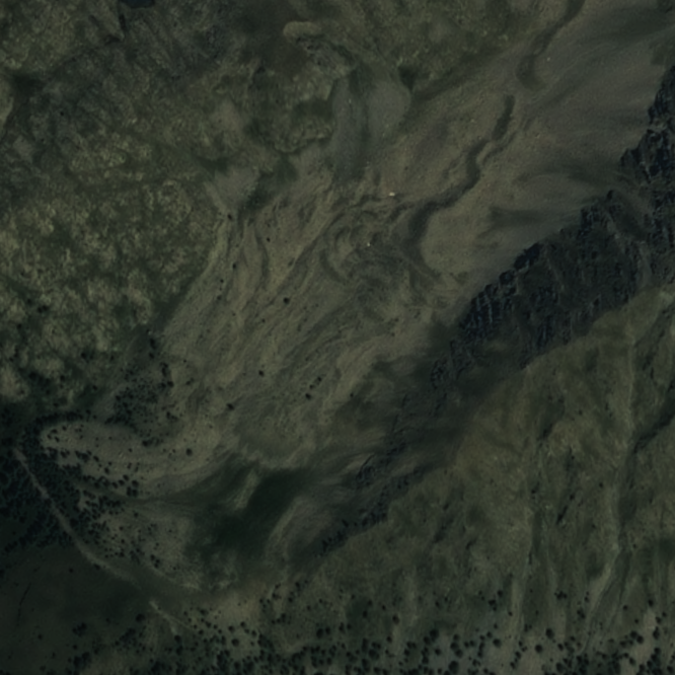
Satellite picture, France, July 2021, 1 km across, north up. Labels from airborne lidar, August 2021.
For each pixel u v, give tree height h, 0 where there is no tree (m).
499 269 0
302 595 0
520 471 0
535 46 0
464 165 0
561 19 0
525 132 0
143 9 0
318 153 0
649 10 0
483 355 0
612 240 0
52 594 0
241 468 0
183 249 0
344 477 0
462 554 0
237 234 0
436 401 0
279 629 0
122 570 0
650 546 0
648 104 0
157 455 0
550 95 0
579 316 0
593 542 0
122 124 0
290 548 0
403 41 0
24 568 0
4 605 0
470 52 0
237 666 16
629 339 0
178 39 0
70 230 0
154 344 10
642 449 0
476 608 0
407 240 0
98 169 0
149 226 0
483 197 0
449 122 0
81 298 0
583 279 0
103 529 7
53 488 16
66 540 11
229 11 0
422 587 0
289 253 0
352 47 0
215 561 0
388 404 0
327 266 0
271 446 0
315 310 0
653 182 0
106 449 0
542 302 0
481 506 0
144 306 0
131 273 0
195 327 0
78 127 0
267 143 0
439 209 0
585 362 0
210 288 0
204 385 0
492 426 0
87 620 0
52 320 0
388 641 8
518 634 0
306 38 0
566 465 0
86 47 0
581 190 0
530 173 0
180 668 12
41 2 0
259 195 0
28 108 0
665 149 0
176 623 0
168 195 0
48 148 0
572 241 0
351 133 0
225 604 0
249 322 0
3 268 0
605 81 0
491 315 0
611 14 0
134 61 0
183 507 0
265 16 0
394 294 0
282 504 0
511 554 0
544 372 0
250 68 0
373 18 0
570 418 0
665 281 0
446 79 0
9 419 8
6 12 0
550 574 0
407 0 0
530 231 0
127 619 0
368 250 0
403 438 0
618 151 0
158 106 0
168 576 0
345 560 0
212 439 0
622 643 6
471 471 0
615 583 0
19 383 0
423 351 0
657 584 0
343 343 0
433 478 0
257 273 0
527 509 0
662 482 0
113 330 0
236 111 0
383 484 0
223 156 0
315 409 0
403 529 0
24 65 0
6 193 0
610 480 0
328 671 0
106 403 0
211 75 0
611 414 0
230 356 0
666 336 0
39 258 0
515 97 0
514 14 0
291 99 0
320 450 0
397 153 0
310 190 0
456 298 0
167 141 0
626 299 0
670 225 0
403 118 0
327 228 0
